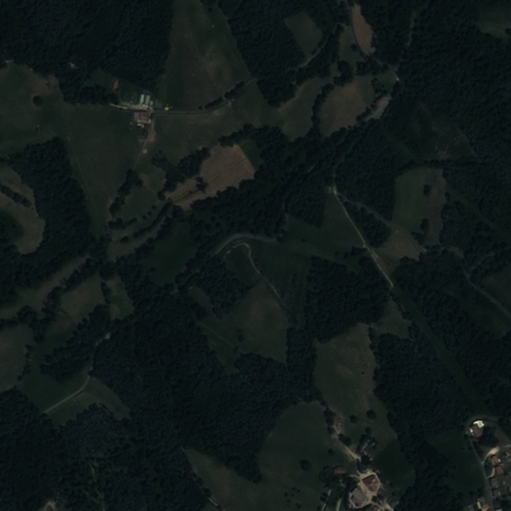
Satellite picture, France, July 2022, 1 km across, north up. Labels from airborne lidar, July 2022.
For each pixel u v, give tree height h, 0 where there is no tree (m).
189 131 0
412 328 14
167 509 13
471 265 16
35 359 0
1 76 0
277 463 0
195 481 15
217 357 21
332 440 0
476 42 21
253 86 0
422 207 0
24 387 0
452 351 21
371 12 19
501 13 0
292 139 0
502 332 0
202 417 7
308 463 17
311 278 20
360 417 0
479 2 17
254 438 19
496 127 17
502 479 0
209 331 0
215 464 0
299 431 0
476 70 22
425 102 15
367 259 15
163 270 0
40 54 13
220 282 23
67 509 14
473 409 12
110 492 22
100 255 25
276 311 0
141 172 0
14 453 21
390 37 27
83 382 0
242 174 0
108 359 22
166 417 15
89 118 0
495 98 29
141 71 11
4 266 24
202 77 0
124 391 19
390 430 0
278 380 25
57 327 0
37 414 15
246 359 25
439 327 20
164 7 16
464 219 17
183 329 21
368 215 15
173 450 21
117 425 13
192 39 0
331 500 0
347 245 0
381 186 14
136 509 22
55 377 13
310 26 0
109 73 8
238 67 0
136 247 0
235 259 0
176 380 7
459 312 19
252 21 17
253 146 0
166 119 0
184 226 0
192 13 0
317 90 0
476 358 13
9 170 0
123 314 0
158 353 8
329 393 0
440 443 0
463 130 16
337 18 12
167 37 12
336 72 0
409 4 16
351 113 0
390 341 17
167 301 25
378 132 21
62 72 14
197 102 0
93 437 27
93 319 22
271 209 17
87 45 11
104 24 9
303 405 0
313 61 8
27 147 7
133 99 0
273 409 20
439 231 0
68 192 16
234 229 9
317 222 14
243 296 6
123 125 0
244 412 22
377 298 25
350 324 21
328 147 22
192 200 0
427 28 8
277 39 13
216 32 0
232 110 0
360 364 0
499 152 21
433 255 23
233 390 19
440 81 24
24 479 21
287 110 0
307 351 17
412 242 0
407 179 0
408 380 21
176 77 0
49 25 21
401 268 7
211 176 0
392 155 15
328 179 17
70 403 0
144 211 0
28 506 20
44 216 14
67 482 19
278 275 0
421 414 20
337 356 0
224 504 0
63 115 0
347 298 24
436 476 16
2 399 23
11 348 0
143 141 0
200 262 21
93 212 0
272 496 0
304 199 15
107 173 0
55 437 14
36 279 25
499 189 16
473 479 0
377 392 15
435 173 0
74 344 18
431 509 23
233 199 23
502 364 13
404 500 16
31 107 0
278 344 0
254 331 0
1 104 0
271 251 0
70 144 0
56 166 20
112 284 0
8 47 17
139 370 22
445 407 18
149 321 15
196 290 0
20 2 27
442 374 12
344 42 0
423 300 12
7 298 16
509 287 0
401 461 0
